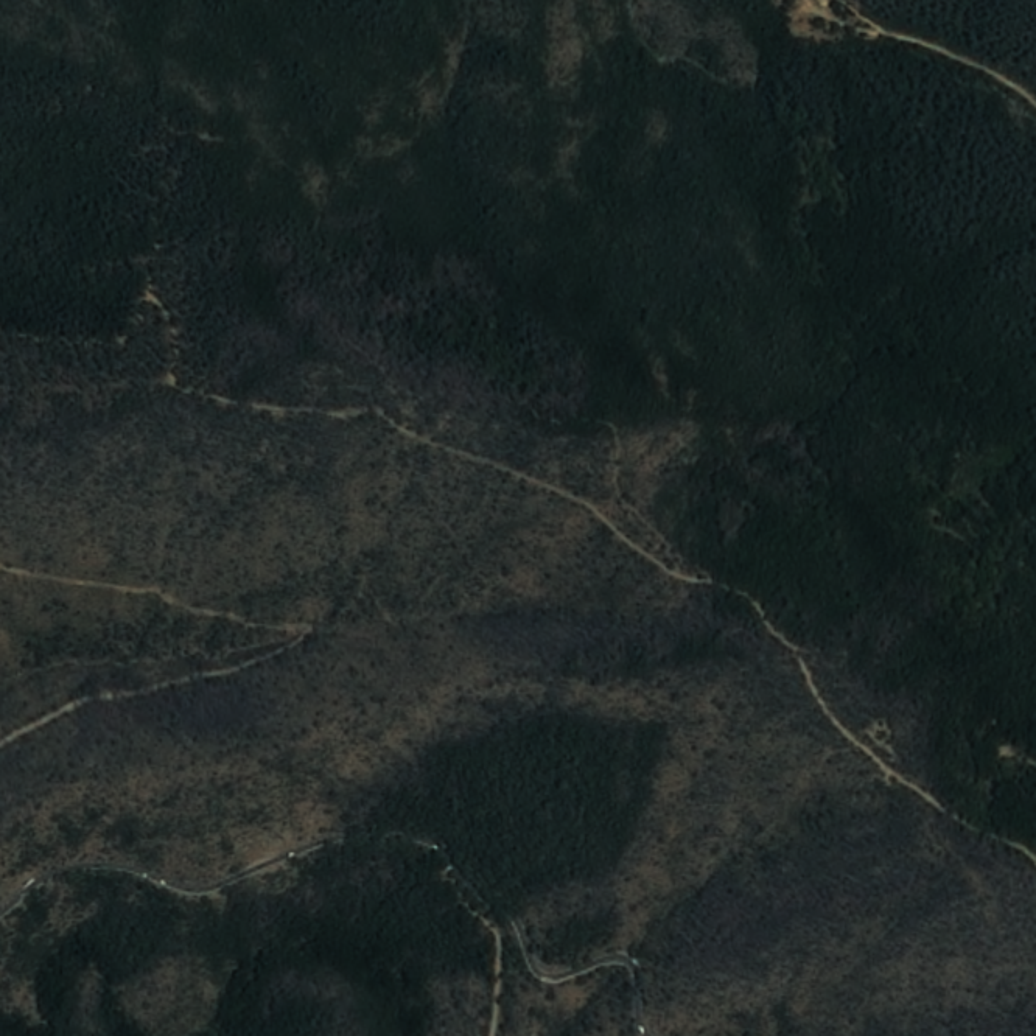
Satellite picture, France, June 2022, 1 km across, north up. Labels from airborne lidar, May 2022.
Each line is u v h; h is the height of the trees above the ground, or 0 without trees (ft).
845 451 24
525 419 24
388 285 38
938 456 29
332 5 51
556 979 0
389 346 55
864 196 38
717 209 19
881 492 29
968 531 23
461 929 37
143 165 44
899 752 24
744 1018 27
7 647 0
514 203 22
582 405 19
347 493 0
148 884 19
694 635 38
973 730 41
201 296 31
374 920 39
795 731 30
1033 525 23
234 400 25
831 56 25
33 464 34
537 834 35
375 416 36
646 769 23
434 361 59
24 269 21
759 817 0
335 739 0
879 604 38
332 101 35
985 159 56
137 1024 25
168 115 30
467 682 0
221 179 26
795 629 26
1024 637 21
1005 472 23
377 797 31
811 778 0
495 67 28
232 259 18
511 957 26
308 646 21
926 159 27
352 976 37
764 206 41
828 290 32
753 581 21
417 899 42
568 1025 22
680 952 46
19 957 24
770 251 31
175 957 20
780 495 24
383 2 60
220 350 51
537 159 30
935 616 22
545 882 36
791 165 53
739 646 41
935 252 23
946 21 56
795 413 28
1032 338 57
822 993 0
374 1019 18
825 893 48
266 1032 30
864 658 20
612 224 26
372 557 39
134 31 23
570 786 26
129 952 32
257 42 23
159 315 26
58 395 33
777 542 27
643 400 28
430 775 31
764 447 46
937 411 38
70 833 27
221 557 0
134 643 47
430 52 18
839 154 56
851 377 38
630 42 19
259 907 32
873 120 23
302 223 32
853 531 36
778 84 31
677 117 18
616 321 23
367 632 0
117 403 32
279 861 0
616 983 39
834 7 46
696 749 26
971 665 37
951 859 19
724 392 19
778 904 41
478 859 31
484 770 38
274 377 18
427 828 44
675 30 0
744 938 47
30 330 42
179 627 35
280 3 24
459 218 18
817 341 29
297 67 40
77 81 43
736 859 25
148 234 37
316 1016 22
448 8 22
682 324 23
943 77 57
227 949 20
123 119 51
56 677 0
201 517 30
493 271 18
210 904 30
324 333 45
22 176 31
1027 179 57
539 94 23
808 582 21
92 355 50
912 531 46
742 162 29
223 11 42
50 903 19
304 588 26
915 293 38
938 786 22
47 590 0
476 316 42
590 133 20
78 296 23
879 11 36
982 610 27
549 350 49
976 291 30
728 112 22
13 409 18
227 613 37
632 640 55
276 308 38
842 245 31
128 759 0
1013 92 35
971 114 58
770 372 20
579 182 24
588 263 24
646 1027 0
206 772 0
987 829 36
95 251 23
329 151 19
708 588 40
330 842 29
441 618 0
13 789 0
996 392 27
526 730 30
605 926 26
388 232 30
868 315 26
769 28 31
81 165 27
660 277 21
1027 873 52
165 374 54
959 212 59
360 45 19
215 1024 18
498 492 25
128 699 67
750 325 20
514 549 20
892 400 35
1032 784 24
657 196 21
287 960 44
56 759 0
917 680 39
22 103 48
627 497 26
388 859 48
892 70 19
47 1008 39
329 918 41
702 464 36
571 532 0
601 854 20
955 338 38
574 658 42
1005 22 47
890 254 38
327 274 50
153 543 29
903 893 43
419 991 56
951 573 26
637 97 22
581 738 27
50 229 23
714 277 49
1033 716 43
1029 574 26
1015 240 38
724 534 30
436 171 18
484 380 64
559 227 17
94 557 0
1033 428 30
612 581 30
